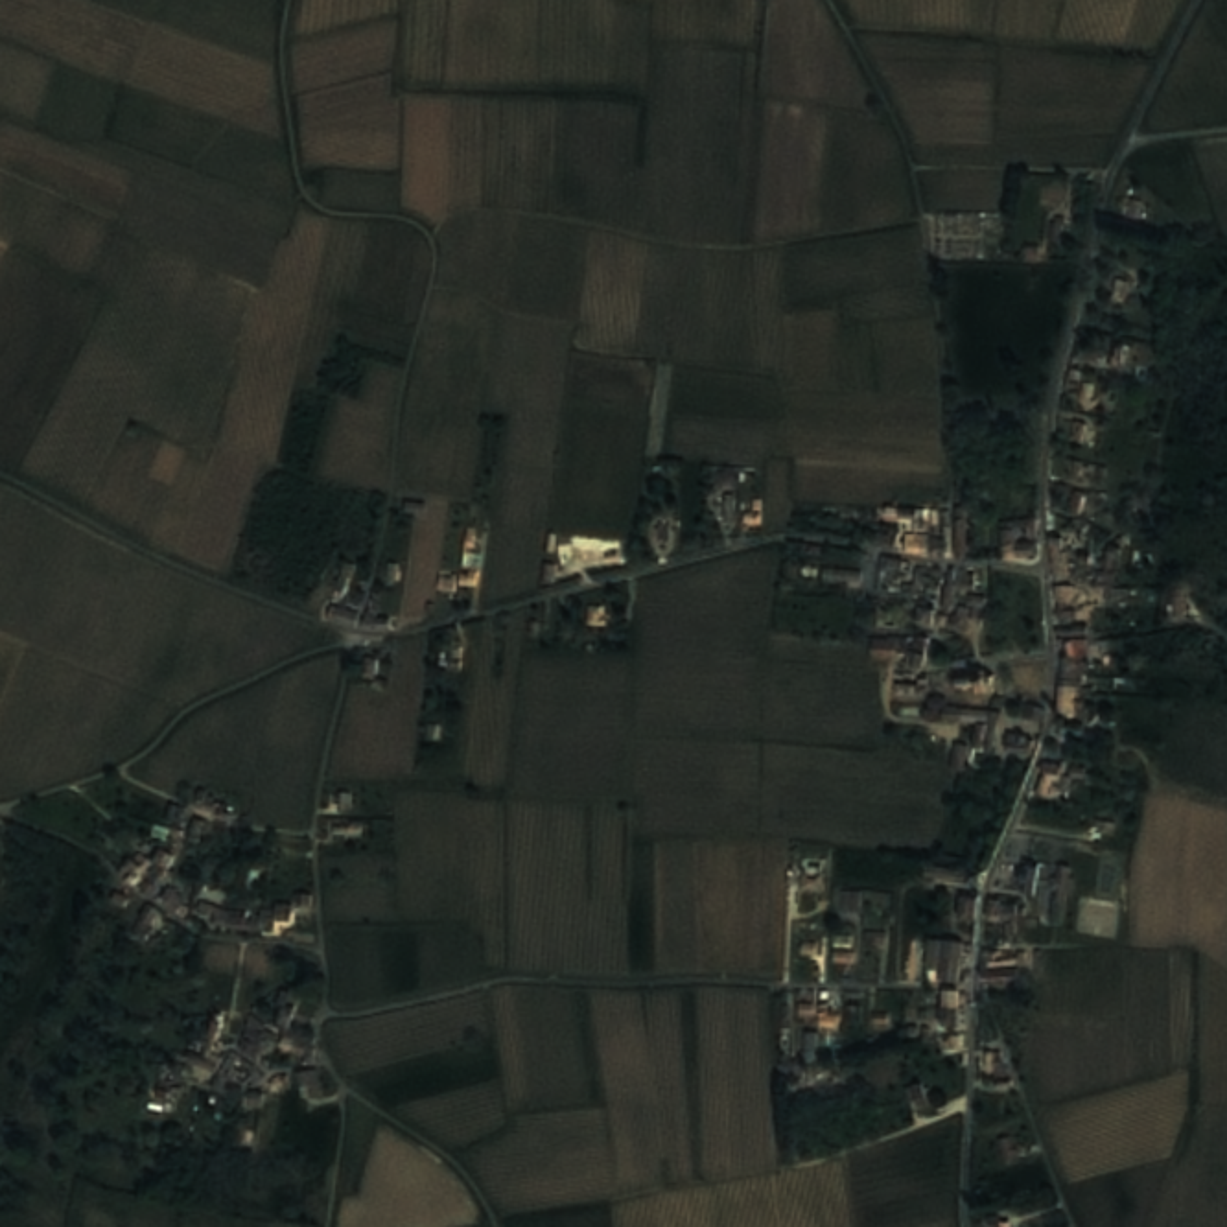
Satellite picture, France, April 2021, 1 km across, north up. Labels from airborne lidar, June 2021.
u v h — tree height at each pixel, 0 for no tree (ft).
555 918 0
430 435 0
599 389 0
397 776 0
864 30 0
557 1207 0
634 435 0
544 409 0
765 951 0
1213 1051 0
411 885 0
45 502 0
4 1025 56
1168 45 0
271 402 0
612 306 0
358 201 0
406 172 0
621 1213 0
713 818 0
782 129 0
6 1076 0
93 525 0
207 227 0
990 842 41
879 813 0
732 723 0
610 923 0
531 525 0
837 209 0
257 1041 0
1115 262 36
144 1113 0
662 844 0
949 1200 0
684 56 0
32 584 0
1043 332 0
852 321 0
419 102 0
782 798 0
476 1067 0
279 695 0
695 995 0
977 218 0
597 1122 0
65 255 0
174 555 0
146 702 0
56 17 0
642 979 0
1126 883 0
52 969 0
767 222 0
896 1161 0
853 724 0
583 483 0
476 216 0
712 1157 0
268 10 0
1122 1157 0
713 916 0
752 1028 0
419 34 0
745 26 0
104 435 0
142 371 0
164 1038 0
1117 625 22
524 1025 0
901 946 0
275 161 0
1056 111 0
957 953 0
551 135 0
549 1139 0
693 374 0
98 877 33
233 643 0
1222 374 50
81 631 0
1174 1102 0
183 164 0
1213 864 0
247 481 0
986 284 0
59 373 0
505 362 0
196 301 0
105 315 0
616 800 0
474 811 0
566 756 0
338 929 0
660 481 31
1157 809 0
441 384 0
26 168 0
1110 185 0
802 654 0
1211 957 0
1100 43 0
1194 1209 0
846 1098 56
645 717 0
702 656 0
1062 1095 0
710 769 0
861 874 0
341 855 0
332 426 0
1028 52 0
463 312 0
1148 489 30
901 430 0
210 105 0
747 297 0
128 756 0
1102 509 22
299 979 35
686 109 0
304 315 0
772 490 0
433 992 0
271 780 0
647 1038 0
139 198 0
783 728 0
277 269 0
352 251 0
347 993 0
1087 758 19
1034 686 0
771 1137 0
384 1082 0
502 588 0
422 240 0
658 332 0
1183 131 0
